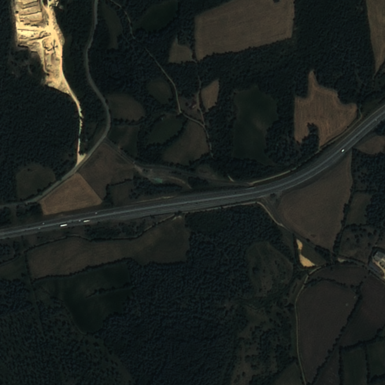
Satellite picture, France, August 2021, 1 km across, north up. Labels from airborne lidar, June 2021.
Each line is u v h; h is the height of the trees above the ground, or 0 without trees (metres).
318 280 7
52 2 0
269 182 0
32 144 13
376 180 14
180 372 19
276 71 12
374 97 14
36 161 9
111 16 0
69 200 0
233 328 9
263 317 0
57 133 10
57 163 15
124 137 0
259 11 0
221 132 12
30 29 0
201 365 7
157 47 17
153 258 0
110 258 0
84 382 9
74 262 0
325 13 13
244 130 0
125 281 0
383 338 8
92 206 0
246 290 12
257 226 8
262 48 9
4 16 11
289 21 0
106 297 0
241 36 0
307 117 0
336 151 0
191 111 0
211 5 10
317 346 0
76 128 8
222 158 12
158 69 15
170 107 7
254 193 0
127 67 20
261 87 16
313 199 0
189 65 12
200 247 16
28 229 0
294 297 0
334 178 0
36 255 0
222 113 8
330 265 8
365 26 12
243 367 0
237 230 11
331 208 0
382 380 12
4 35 9
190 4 11
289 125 9
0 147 11
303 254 0
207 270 13
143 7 11
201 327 18
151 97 17
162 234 0
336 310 0
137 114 0
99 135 0
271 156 16
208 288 15
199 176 0
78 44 10
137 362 14
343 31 13
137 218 0
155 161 10
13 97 7
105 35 17
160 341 20
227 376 15
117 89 12
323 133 0
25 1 0
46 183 0
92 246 0
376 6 0
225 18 0
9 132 12
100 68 18
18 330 15
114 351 12
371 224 8
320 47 12
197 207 0
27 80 8
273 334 8
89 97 10
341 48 13
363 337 0
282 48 8
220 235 8
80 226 0
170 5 0
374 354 0
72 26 9
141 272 11
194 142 0
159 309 12
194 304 8
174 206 0
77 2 10
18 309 14
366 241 0
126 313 8
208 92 0
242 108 0
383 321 0
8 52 10
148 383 9
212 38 0
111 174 0
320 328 0
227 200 0
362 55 14
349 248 0
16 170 9
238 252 7
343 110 0
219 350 14
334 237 0
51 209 0
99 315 0
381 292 0
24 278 9
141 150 10
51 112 11
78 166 0
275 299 7
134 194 8
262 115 0
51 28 0
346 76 10
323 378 0
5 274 0
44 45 0
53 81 0
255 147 0
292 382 0
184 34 6
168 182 0
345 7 9
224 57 11
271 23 0
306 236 0
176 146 0
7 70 7
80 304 0
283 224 0
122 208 0
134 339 12
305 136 0
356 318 0
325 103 0
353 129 0
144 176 0
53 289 0
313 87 0
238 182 0
